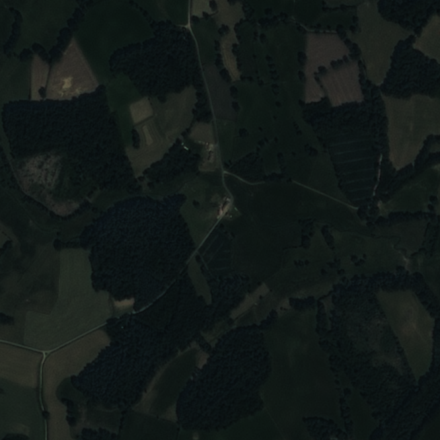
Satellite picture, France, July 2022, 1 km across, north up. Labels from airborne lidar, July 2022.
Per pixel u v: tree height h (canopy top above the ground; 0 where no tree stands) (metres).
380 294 0
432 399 7
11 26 0
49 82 0
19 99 0
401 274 21
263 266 0
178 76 21
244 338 17
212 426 20
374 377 8
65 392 0
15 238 0
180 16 0
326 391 0
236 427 0
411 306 0
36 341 0
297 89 0
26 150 14
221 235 0
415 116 0
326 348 20
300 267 14
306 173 0
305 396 0
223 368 19
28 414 0
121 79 0
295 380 0
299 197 0
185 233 13
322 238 0
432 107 0
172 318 12
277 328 0
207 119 8
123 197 0
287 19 19
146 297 20
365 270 0
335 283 0
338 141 0
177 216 15
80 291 0
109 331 7
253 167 6
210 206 0
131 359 31
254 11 20
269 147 0
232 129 0
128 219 26
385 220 21
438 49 0
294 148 0
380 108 20
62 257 0
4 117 20
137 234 23
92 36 0
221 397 15
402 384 7
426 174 0
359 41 0
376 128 17
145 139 0
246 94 0
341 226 0
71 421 26
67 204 0
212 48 0
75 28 21
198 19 18
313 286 0
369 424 0
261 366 17
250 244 0
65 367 0
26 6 0
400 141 0
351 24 0
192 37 21
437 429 0
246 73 0
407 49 22
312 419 12
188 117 0
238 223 0
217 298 23
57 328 0
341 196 0
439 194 0
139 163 0
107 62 0
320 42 0
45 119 23
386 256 0
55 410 0
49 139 19
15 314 0
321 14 0
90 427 0
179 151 15
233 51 9
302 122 0
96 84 0
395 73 25
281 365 0
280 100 0
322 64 0
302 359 0
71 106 19
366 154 0
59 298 0
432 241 7
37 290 0
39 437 0
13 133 21
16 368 0
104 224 24
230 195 0
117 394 14
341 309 20
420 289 22
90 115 19
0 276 0
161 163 17
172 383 0
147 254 18
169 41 22
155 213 31
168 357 23
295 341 0
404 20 23
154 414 0
